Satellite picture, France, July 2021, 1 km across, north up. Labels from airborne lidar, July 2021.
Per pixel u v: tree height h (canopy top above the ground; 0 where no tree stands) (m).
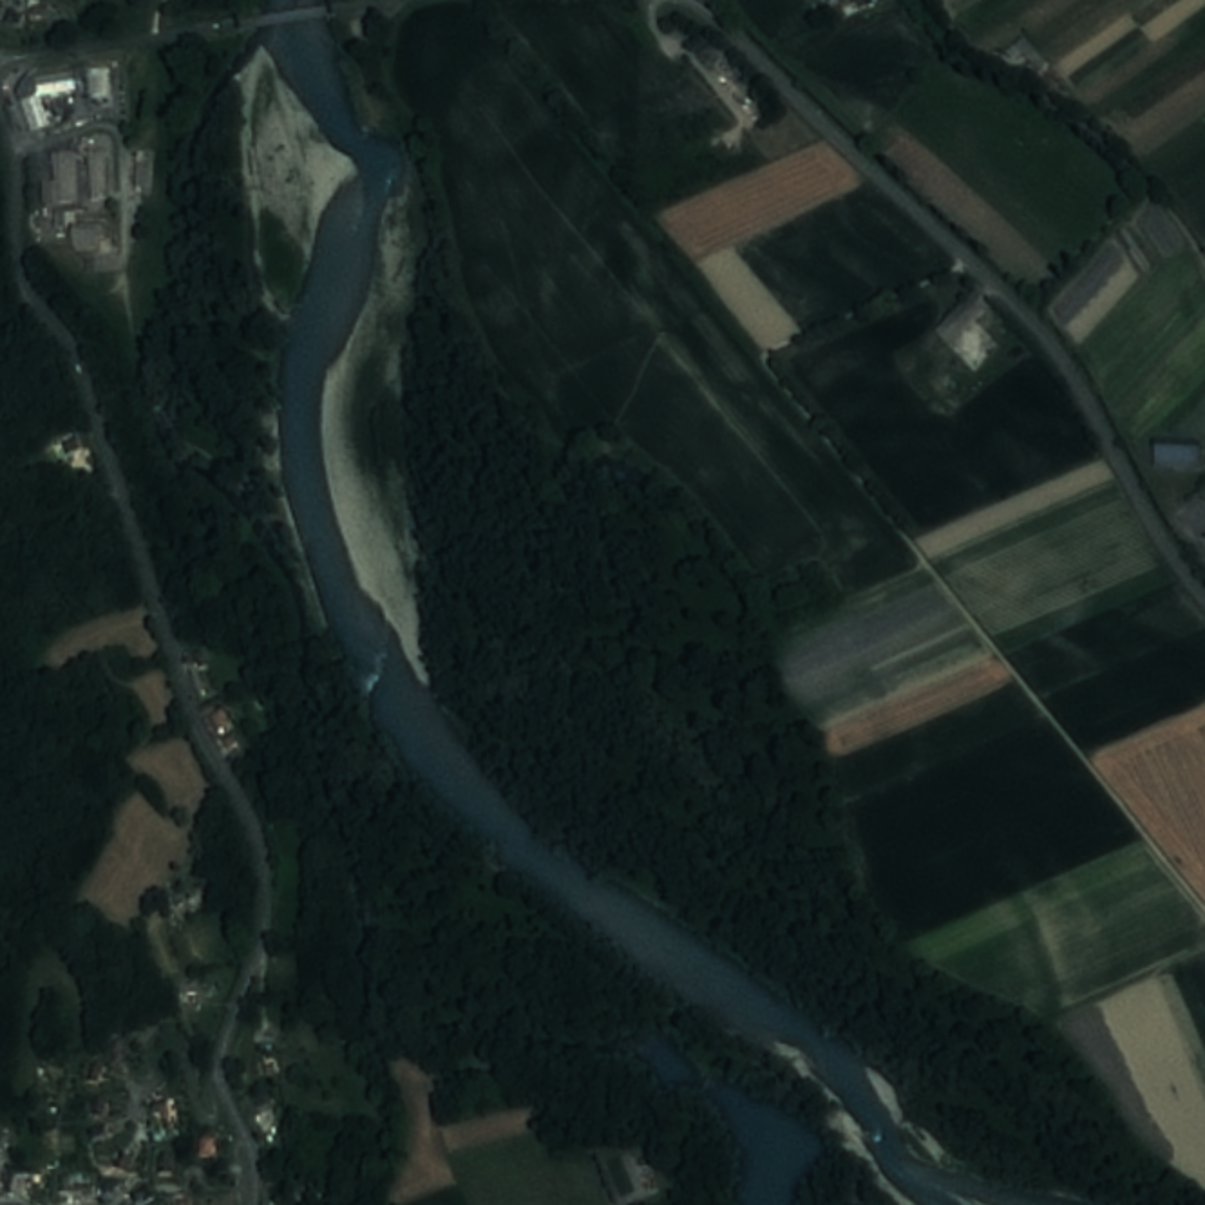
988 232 0
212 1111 0
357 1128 13
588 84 0
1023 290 15
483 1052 21
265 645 23
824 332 14
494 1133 0
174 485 17
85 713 24
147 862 0
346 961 24
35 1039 16
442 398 33
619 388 0
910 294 15
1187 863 0
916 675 0
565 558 33
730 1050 19
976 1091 15
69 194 0
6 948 25
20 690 25
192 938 0
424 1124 0
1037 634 0
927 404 0
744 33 19
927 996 17
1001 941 0
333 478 0
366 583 0
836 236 0
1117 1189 17
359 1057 19
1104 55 0
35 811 19
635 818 34
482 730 16
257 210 0
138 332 0
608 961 29
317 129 0
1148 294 0
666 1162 28
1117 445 6
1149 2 0
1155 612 0
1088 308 0
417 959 13
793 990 16
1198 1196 15
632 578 37
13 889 24
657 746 17
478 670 32
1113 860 0
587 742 24
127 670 12
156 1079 0
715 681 37
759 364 0
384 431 10
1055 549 0
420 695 0
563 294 0
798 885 29
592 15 0
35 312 17
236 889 20
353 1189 22
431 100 0
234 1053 0
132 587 23
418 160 14
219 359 30
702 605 0
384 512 0
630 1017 13
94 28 15
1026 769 0
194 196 22
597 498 26
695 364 0
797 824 24
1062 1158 26
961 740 0
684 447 0
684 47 8
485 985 17
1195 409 0
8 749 20
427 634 12
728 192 0
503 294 0
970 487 0
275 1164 17
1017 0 0
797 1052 0
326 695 26
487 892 17
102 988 23
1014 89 12
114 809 21
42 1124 8
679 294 0
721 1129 16
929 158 0
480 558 24
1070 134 0
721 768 29
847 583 0
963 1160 8
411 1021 36
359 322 0
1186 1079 0
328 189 0
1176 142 0
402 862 26
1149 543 0
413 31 0
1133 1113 0
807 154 0
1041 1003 0
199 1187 8
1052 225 0
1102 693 0
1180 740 0
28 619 21
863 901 22
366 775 25
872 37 0
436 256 13
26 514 22
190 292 21
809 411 9
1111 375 0
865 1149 0
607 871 30
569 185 0
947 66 19
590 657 20
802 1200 24
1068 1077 11
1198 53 0
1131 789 0
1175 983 0
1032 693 0
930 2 18
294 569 23
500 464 29
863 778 0
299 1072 14
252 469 30
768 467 0
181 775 0
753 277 0
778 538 0
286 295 0
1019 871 0
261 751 16
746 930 30
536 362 0
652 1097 15
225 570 27
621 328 0
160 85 0
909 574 0
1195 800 0
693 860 27
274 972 0
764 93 18
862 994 27
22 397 19
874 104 0
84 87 0
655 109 0
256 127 0
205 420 14
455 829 22
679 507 19
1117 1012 0
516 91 0
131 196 0
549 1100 21
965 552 0
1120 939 0
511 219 0
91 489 16
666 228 0
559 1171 0
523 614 25
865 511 0
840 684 0
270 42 0
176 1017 13
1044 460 0
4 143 0
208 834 17
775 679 17
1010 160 0
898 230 0
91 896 0
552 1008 18
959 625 0
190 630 22
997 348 0
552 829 28
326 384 0
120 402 10
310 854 21
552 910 30
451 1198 0
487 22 11
